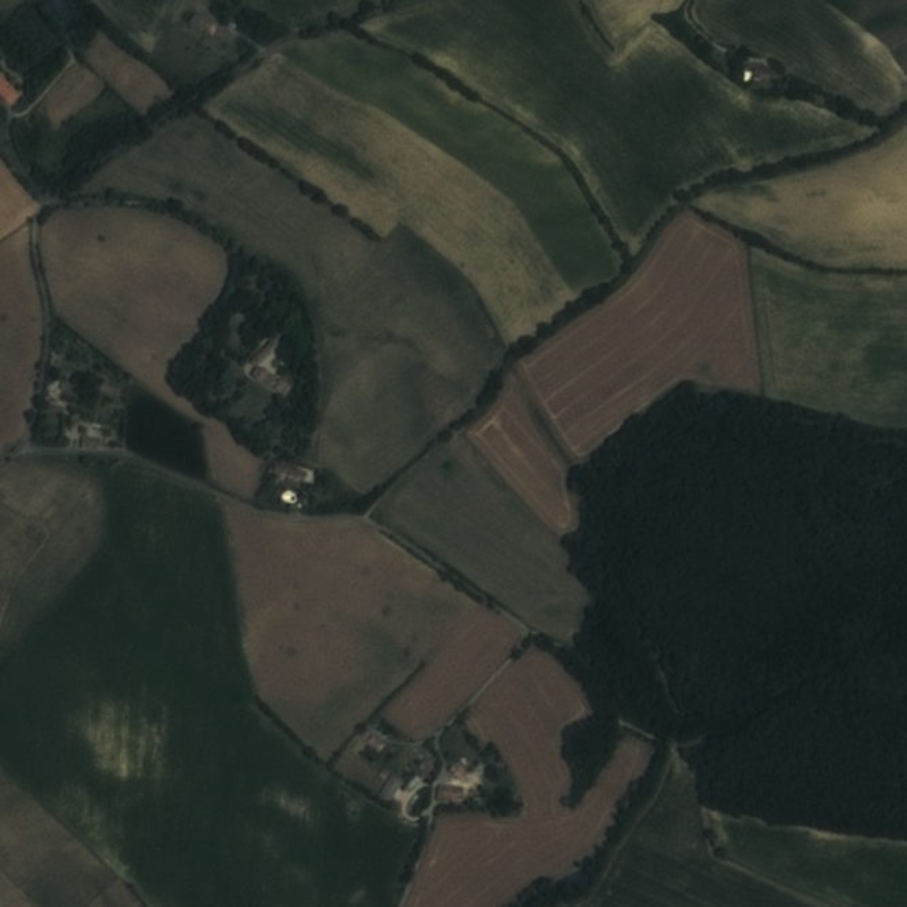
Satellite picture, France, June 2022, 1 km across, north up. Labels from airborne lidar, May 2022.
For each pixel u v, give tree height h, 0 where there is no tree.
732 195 0
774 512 19
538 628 0
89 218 0
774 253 12
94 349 13
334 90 0
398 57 0
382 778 0
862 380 0
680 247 0
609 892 0
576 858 0
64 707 0
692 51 8
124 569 0
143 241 0
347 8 0
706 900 0
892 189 0
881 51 0
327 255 0
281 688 0
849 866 0
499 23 0
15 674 0
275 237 0
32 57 8
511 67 0
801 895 0
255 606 0
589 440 0
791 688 17
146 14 0
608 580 19
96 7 12
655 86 0
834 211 0
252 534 0
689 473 20
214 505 0
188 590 0
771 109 0
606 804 0
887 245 0
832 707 16
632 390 0
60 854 0
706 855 0
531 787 0
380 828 0
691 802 0
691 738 11
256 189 0
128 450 0
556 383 0
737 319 0
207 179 0
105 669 0
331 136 0
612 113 0
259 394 0
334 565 0
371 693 0
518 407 0
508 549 0
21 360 0
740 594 16
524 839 0
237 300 15
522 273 0
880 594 16
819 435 20
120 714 0
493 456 0
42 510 0
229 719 0
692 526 15
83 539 0
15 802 0
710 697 14
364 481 0
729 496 19
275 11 0
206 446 0
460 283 0
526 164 0
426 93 0
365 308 0
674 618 16
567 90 0
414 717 0
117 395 0
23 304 0
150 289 0
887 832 16
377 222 0
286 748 0
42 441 11
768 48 0
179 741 0
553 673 0
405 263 0
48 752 0
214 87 15
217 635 0
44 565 0
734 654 11
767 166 11
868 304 0
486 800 6
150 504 0
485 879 0
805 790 18
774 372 0
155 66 6
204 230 8
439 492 0
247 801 0
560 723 0
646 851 0
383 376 0
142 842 0
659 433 23
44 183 12
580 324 0
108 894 0
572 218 0
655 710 18
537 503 0
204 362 9
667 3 0
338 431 0
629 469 18
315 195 15
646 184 0
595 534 15
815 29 0
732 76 9
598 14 0
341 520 0
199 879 0
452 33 0
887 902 0
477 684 0
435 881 0
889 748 14
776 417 23
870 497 21
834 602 14
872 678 8
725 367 0
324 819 0
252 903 0
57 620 0
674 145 0
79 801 0
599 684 19
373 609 0
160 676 0
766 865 0
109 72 0
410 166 0
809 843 0
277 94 0
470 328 0
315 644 0
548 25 0
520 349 16
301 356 17
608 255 0
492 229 0
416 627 0
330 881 0
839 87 0
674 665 16
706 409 21
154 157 0
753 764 20
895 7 0
